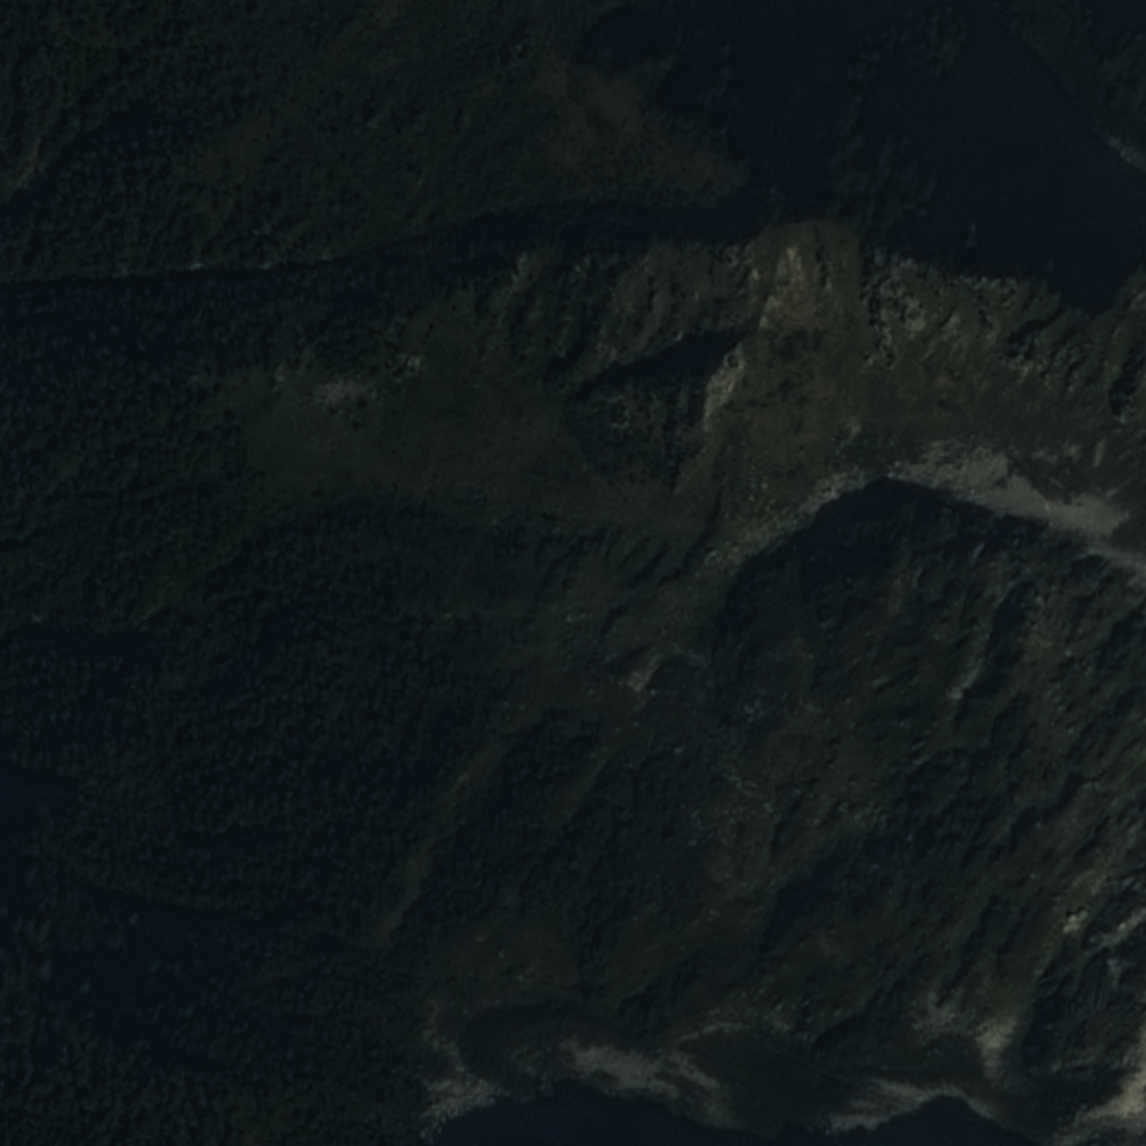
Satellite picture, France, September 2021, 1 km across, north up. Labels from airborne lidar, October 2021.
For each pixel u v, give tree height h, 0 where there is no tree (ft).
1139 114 0
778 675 0
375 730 24
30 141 63
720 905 0
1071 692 0
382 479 0
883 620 0
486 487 0
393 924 0
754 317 0
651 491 0
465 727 23
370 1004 21
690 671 0
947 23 19
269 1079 31
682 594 0
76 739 23
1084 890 0
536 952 0
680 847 0
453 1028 0
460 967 0
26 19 72
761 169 27
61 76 40
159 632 19
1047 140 0
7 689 29
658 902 0
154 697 18
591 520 0
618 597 0
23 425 49
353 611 18
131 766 29
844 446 0
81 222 42
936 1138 0
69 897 19
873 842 0
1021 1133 0
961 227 18
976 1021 0
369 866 27
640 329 23
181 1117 32
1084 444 0
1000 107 0
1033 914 0
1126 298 0
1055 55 0
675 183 0
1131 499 0
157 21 33
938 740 0
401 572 24
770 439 0
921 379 0
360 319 50
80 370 47
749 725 0
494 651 0
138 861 21
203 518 33
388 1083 24
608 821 0
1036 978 0
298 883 31
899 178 18
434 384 0
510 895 0
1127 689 0
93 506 48
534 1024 0
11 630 31
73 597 47
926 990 0
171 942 21
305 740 30
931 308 0
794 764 0
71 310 31
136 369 52
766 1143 0
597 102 0
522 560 0
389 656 28
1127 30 23
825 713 0
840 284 0
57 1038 19
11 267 95
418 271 21
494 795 18
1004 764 0
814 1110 0
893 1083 0
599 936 17
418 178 32
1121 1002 0
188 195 28
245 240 36
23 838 23
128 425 44
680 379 21
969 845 0
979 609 0
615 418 31
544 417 0
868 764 0
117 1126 36
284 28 25
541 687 0
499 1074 0
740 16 25
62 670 22
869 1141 0
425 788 28
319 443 0
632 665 0
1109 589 0
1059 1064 0
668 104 32
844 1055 0
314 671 21
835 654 0
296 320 0
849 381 0
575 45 19
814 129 21
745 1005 0
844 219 22
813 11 0
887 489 0
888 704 0
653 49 23
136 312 34
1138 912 0
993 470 0
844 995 0
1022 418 0
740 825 0
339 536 19
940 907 0
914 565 0
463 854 19
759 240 0
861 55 24
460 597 0
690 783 0
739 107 18
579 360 32
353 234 24
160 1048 24
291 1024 28
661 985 0
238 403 0
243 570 41
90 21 34
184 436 42
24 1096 48
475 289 33
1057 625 0
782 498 0
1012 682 0
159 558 38
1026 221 18
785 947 0
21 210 27
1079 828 0
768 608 0
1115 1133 0
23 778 25
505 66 27
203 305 34
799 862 0
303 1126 24
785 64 20
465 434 0
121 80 22
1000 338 0
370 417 0
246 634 37
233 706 28
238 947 22
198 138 27
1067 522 0
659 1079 0
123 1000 24
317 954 21
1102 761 0
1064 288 0
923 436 0
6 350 31
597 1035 0
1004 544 0
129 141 48
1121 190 0
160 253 39
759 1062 0
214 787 32
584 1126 0
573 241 19
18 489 45
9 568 43
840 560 0
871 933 0
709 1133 0
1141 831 0
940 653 0
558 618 0
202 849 28
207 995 24
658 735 0
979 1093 0
